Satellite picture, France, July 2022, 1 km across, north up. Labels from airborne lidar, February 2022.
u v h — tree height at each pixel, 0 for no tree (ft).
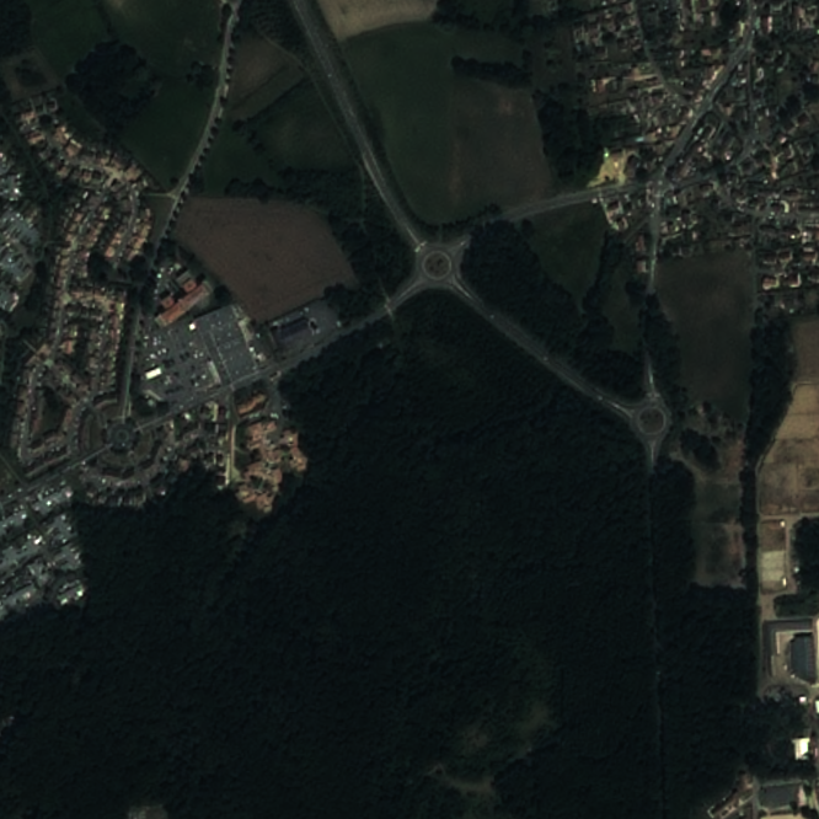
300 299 0
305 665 72
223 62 0
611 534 83
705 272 0
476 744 0
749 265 0
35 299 43
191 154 0
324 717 79
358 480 89
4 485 0
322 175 33
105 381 0
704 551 0
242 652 88
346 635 69
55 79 0
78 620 47
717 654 71
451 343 19
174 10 0
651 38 46
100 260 49
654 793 53
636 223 0
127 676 74
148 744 80
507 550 71
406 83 0
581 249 0
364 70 0
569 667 53
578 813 37
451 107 0
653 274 0
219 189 0
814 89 62
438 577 69
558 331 73
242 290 0
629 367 44
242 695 83
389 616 74
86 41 0
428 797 44
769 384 72
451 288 0
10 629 55
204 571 87
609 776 68
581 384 0
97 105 62
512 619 43
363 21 0
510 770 56
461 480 92
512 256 87
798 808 49
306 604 81
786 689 0
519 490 88
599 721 64
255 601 86
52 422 0
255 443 0
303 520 92
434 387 21
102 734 73
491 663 33
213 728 63
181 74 0
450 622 56
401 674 63
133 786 91
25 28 28
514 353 19
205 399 0
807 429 0
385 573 88
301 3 0
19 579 0
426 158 0
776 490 0
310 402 58
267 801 86
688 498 71
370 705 75
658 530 53
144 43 0
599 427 86
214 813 80
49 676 83
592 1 0
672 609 56
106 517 55
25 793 67
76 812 87
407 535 71
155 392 0
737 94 0
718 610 70
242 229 0
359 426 92
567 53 0
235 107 0
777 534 0
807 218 0
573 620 31
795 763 63
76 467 0
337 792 83
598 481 93
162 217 0
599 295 52
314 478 49
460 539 71
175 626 81
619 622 57
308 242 0
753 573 46
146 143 0
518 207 0
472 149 0
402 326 0
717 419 47
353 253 40
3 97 49
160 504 62
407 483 85
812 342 0
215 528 77
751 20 0
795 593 0
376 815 59
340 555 96
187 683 72
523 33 37
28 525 23
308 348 0
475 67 55
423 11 0
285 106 21
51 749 81
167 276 0
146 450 0
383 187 0
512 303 58
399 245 37
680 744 76
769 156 19
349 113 0
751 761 61
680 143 0
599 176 0
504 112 0
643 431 0
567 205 0
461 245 0
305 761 74
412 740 57
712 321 0
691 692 87
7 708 24
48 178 31
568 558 77
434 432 57
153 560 78
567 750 57
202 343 0
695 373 0
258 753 84
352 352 55
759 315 20
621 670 52
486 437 73
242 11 40
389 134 0
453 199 0
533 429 85
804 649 0
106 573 66
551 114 53
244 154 0
